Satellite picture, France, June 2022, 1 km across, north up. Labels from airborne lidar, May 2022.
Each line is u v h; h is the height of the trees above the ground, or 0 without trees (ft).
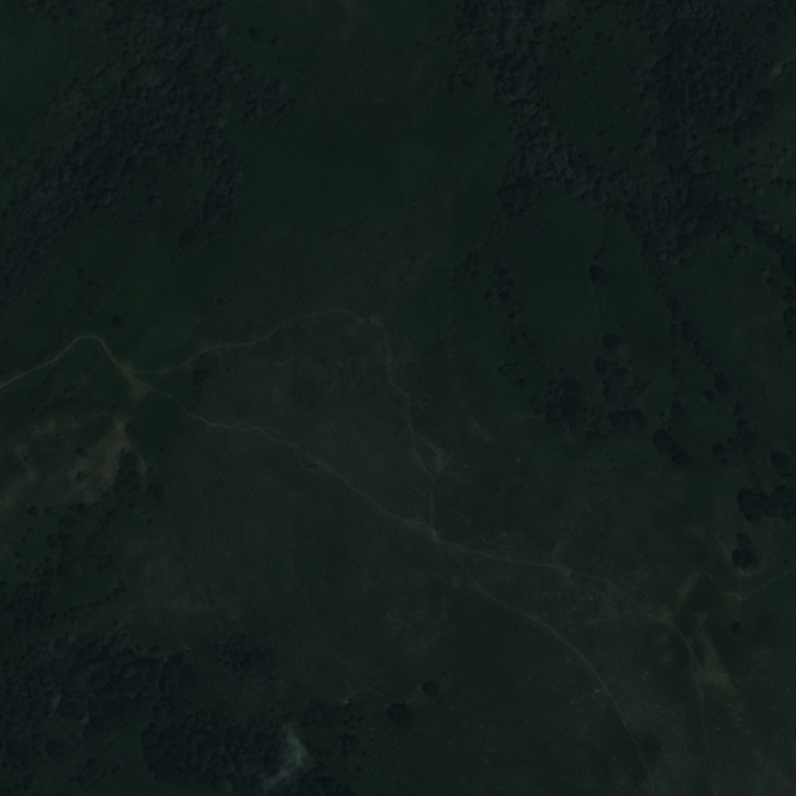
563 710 0
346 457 0
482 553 0
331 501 0
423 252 0
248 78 20
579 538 0
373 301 0
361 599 0
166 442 0
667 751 0
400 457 0
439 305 0
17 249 41
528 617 0
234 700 0
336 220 0
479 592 0
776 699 0
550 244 0
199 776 65
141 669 81
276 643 0
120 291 0
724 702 0
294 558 0
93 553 25
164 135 51
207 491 0
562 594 0
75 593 0
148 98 69
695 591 0
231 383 0
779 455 57
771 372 0
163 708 76
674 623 0
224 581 0
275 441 0
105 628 22
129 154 37
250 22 0
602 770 0
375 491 0
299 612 0
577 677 0
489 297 43
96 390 0
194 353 0
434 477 0
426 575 0
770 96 52
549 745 0
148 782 0
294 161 0
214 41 30
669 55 62
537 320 0
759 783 0
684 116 55
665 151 72
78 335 0
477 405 0
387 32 0
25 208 23
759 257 0
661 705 0
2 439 0
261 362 0
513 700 0
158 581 0
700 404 0
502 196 44
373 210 0
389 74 0
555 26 34
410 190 0
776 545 0
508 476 0
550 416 40
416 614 0
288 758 74
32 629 21
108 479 0
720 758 0
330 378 0
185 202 0
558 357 0
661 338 0
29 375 0
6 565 0
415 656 0
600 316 0
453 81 33
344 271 0
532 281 0
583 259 0
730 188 0
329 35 0
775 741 0
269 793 108
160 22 53
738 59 28
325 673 0
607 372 66
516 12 55
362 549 0
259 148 0
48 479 0
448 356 0
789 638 0
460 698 0
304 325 0
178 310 0
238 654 51
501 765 0
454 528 0
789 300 55
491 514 0
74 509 26
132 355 0
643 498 0
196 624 0
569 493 0
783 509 60
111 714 61
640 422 50
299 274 0
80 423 0
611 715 0
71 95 30
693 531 0
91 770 32
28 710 41
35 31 0
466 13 34
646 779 0
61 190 27
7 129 0
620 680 0
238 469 0
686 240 64
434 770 0
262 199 0
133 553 0
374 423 0
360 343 0
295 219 0
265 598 0
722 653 0
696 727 0
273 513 0
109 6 55
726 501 0
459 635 0
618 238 0
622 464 0
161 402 0
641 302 0
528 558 0
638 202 49
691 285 0
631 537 0
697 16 56
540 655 0
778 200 0
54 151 52
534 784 0
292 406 0
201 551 0
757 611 0
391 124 0
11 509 0
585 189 54
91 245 0
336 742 0
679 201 57
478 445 0
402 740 0
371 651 0
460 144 0
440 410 0
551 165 25
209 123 35
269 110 31
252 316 0
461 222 0
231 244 0
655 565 0
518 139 27
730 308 0
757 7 52
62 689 37
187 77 54
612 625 0
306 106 0
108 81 49
